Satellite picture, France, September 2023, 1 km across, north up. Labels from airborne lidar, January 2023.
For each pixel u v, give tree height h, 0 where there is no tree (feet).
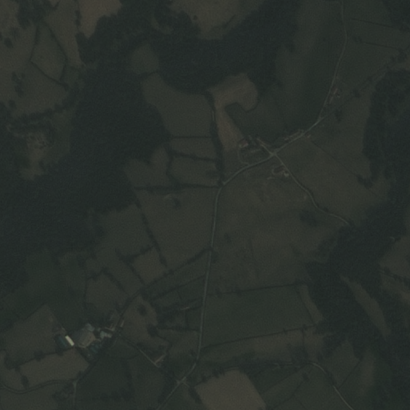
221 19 0
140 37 26
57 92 0
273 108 0
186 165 0
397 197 64
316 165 0
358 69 0
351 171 0
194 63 71
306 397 0
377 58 0
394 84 57
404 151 67
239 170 0
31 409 0
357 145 0
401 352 51
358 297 0
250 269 0
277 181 0
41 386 25
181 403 0
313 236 0
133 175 0
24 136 48
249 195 0
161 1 56
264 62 60
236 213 0
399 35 0
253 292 0
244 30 59
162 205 0
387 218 63
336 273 40
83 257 0
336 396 0
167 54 32
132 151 55
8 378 0
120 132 66
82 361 0
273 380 0
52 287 0
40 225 74
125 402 0
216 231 0
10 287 41
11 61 0
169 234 0
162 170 0
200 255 22
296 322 0
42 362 0
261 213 0
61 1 0
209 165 0
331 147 0
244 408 0
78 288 0
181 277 0
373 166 49
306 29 0
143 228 0
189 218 0
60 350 38
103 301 0
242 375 0
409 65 0
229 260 0
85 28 0
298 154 0
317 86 0
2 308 29
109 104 74
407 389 45
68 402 0
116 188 57
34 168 0
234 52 76
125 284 0
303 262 0
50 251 37
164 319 39
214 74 83
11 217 66
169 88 0
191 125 0
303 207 0
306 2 0
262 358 0
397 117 0
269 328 0
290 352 48
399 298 0
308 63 0
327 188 0
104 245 0
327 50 0
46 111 28
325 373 53
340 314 25
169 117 0
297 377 0
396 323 45
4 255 69
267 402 0
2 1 0
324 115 0
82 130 95
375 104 65
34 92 0
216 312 0
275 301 0
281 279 0
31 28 0
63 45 0
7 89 0
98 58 26
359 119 0
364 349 71
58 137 0
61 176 75
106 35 80
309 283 58
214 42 19
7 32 0
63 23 0
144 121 86
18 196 43
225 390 0
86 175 70
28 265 0
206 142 0
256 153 0
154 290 0
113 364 0
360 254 51
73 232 80
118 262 0
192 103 0
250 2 0
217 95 0
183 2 0
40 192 53
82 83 0
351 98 0
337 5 0
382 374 0
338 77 0
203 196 0
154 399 0
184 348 0
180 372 0
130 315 0
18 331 0
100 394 0
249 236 0
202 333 0
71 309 0
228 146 0
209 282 0
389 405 0
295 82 0
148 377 0
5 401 0
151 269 0
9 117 76
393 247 0
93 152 76
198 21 0
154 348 0
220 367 0
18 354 0
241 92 0
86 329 0
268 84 30
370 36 0
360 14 0
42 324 0
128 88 87
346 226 0
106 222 0
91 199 59
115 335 34
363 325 57
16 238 81
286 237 0
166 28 0
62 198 56
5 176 73
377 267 42
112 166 49
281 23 69
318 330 25
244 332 0
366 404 0
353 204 0
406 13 51
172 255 0
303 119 0
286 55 0
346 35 0
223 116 0
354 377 0
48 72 0
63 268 0
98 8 0
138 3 55
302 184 0
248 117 0
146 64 0
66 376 0
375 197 0
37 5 72
